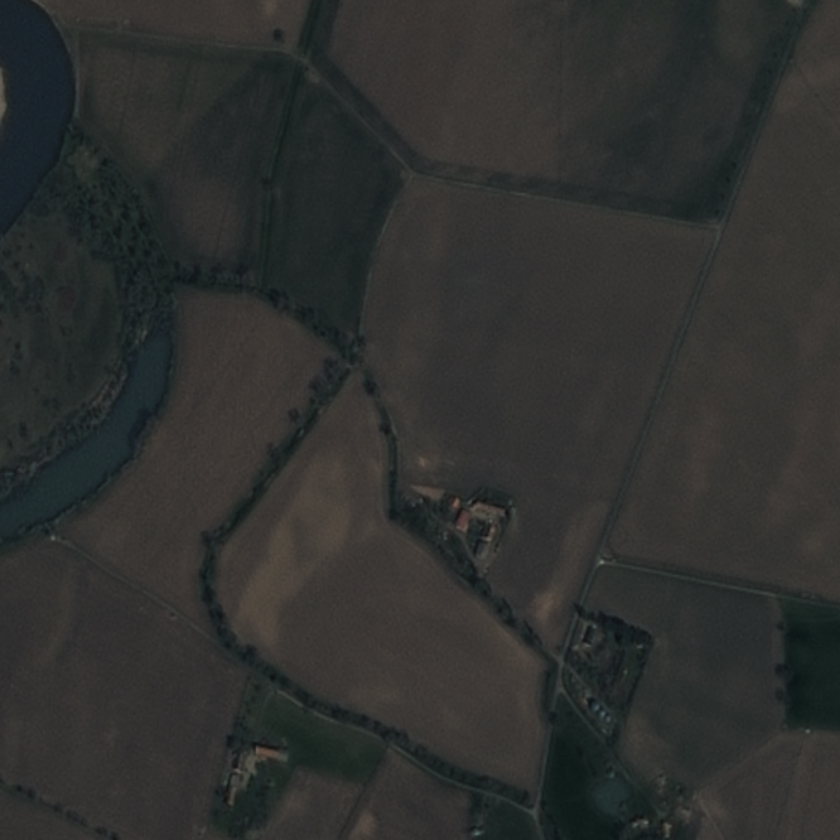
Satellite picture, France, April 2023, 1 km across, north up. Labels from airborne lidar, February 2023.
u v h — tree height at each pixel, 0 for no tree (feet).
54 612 0
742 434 0
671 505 0
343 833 0
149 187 0
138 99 0
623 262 0
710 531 0
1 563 0
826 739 0
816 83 0
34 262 0
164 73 0
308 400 0
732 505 0
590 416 0
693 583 0
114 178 34
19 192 0
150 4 0
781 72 0
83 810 0
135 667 0
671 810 0
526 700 0
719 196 0
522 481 0
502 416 0
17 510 0
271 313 0
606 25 0
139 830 0
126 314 0
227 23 0
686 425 0
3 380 0
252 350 0
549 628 0
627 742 0
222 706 0
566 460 0
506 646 0
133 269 41
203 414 0
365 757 0
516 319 0
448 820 0
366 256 0
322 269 0
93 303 0
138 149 0
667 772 0
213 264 0
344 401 0
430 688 0
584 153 0
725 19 0
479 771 0
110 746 0
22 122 0
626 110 0
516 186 0
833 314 0
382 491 0
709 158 0
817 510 0
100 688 0
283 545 0
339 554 0
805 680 0
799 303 0
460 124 0
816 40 0
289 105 0
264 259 0
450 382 0
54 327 0
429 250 0
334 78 0
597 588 0
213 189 0
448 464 0
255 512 0
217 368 0
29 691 0
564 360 0
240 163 0
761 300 0
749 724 0
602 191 0
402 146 0
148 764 0
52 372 0
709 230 0
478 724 0
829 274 0
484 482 0
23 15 0
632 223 0
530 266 0
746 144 0
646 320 0
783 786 0
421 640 0
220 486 0
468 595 0
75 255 0
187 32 0
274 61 0
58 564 0
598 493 0
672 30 0
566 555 0
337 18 0
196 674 0
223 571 0
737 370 0
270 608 0
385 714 0
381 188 0
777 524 0
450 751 0
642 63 0
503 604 0
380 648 0
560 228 0
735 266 0
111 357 0
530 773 0
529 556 0
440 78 0
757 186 0
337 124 0
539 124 0
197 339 0
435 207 0
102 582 0
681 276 0
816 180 0
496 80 0
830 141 0
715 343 0
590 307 0
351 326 0
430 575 0
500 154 0
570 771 0
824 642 0
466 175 0
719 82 0
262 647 0
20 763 0
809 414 0
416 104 0
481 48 0
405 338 0
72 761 0
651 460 0
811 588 0
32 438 71
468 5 0
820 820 0
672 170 0
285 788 0
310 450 0
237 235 0
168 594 0
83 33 0
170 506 0
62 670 0
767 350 0
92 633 0
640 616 0
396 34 0
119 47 0
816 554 0
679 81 0
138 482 0
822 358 0
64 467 0
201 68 0
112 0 0
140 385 0
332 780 0
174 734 0
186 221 0
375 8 0
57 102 0
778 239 0
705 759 0
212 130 0
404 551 0
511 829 0
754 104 0
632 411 0
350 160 0
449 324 0
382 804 0
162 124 0
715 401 0
